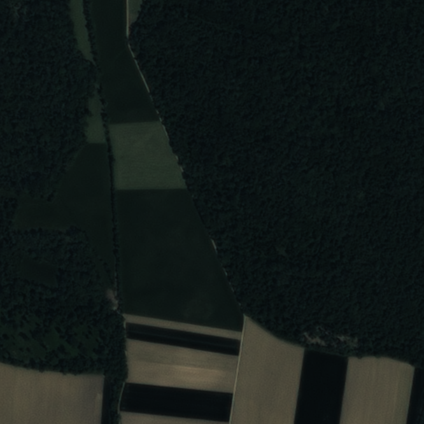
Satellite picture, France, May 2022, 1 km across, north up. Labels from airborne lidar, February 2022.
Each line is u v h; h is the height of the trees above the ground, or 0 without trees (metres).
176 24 23
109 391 0
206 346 0
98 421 0
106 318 23
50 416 0
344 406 0
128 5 0
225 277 0
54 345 0
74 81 27
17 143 27
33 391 0
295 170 30
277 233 25
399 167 8
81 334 0
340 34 20
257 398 0
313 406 0
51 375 0
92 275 23
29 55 28
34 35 22
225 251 25
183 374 0
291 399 0
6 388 0
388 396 0
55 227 0
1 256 15
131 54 0
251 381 0
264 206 28
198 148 10
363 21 27
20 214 0
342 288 26
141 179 0
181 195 0
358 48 0
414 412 0
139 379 0
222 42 20
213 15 10
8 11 27
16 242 28
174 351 0
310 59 29
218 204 21
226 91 21
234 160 22
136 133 0
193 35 23
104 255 0
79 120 27
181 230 0
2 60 31
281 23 28
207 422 0
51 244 25
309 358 0
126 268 0
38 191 14
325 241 25
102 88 12
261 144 20
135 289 0
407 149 0
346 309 27
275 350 0
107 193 0
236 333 0
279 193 23
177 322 0
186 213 0
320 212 23
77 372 8
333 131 27
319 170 23
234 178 24
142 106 0
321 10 25
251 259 24
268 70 25
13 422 0
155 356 0
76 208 0
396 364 0
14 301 26
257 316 24
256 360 0
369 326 14
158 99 23
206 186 21
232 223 8
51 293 27
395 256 23
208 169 26
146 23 10
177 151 22
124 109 0
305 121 27
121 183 0
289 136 25
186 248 0
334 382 0
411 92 27
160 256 0
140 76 0
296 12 26
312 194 26
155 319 0
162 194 0
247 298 19
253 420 0
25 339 29
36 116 24
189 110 23
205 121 18
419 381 0
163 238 0
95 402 0
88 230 0
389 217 11
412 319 0
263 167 27
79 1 0
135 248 0
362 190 23
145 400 0
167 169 0
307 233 21
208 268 0
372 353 10
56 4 27
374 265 28
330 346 21
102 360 16
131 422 0
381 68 30
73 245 22
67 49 28
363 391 0
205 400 0
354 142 22
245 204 30
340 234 19
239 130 26
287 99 25
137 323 0
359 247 24
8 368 0
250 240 17
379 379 0
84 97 12
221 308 0
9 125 7
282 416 0
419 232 14
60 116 26
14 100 20
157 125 0
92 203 0
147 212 0
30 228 0
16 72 7
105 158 0
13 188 25
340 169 23
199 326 0
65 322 27
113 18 0
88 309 22
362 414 0
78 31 0
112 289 0
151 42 23
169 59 15
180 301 0
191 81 20
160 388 0
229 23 22
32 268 0
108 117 16
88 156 0
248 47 22
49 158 28
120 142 0
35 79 27
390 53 24
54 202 0
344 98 24
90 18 21
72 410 0
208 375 0
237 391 0
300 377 0
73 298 23
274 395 0
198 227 0
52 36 10
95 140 0
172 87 25
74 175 0
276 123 24
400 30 28
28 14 21
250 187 26
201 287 0
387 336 22
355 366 0
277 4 25
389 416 0
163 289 0
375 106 26
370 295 6
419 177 27
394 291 20
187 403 0
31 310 7
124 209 0
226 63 26
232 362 0
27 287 12
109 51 0
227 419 0
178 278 0
